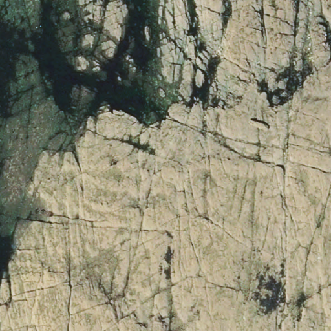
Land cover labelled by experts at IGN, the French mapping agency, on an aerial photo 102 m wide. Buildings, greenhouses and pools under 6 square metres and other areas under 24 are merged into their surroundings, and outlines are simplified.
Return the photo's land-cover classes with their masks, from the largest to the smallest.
<instances>
[{"label":"bare soil","instance_id":"1","mask_svg":"<svg viewBox=\"0 0 331 331\"><path fill-rule=\"evenodd\" d=\"M79 8L89 12L88 16L84 17L85 21L92 19L103 27L102 49L105 50L107 57L114 56L116 45L122 36L120 26L128 13L123 0H79ZM159 40L162 47L156 49V54L162 59L163 69L154 81L155 89L159 92L155 103L169 106L167 118L147 128L127 112H102L98 115V120L88 118L87 132L76 142L75 153H58L52 156L44 151L27 194H34L35 187L39 189L45 209L53 212V217H50L52 225L32 221L17 226L14 235L16 253L9 261L12 282L6 284L5 279L0 281V331H331V0H159Z\"/></svg>","mask_w":331,"mask_h":331},{"label":"water","instance_id":"2","mask_svg":"<svg viewBox=\"0 0 331 331\"><path fill-rule=\"evenodd\" d=\"M128 13L120 26L122 36L116 45L114 56L107 57L105 50L102 49L103 27L92 19L85 21L84 17L88 16L89 12L79 8V0H0V281L5 279L6 284L12 282L9 261L16 253L14 235L17 226L32 221L52 225L50 217H53V212L45 209L39 189L35 187L34 194H27L44 151L52 156L58 153H75L76 142L87 132L88 118L98 120V115L102 112H127L147 128L167 118L169 106L155 103L159 92L155 89L154 81L163 69L162 59L156 54V49L162 47L159 40V0H123Z\"/></svg>","mask_w":331,"mask_h":331}]
</instances>
